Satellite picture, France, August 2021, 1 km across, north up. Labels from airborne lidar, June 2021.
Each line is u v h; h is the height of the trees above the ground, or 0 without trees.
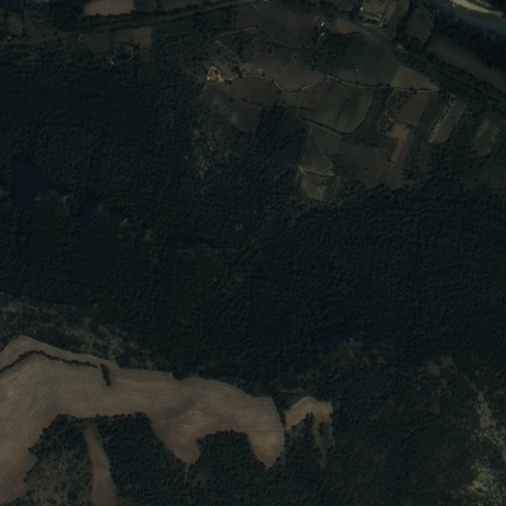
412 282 16
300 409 0
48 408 0
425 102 0
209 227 12
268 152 7
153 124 9
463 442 6
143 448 12
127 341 6
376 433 9
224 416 0
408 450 7
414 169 7
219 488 10
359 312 7
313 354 6
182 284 8
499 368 6
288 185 10
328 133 0
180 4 0
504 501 6
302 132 9
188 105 6
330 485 9
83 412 0
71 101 8
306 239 13
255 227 8
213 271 6
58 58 7
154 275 9
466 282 12
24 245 9
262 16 0
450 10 0
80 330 0
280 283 9
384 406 8
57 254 10
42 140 10
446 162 10
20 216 9
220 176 6
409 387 9
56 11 19
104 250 9
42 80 9
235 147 6
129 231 7
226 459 11
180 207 11
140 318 10
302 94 0
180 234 13
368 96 0
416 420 8
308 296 10
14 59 6
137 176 9
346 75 0
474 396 9
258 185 9
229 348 7
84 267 7
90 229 7
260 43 0
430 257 16
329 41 9
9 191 11
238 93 0
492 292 10
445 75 10
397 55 6
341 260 14
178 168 10
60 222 14
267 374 8
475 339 7
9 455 0
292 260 8
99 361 0
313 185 0
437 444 6
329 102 0
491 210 11
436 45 0
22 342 0
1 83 9
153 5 0
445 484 6
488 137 0
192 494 9
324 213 10
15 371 0
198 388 0
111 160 12
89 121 7
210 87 0
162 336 6
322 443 0
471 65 0
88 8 0
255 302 11
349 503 7
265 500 7
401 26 6
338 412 10
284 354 11
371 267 15
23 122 10
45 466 0
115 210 7
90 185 8
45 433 9
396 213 13
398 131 0
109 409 0
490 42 19
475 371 8
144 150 9
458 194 7
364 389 12
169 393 0
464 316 6
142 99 10
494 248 12
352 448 6
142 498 12
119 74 13
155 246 10
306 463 12
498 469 7
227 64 0
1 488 0
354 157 0
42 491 0
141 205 8
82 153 13
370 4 0
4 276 5
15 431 0
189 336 10
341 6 0
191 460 0
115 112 10
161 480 11
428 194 14
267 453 0
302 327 8
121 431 8
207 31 9
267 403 0
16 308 0
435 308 12
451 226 12
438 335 6
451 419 7
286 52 0
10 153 13
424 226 14
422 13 0
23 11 11
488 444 7
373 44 0
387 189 9
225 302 8
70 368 0
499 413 7
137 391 0
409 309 11
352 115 0
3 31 10
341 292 9
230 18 9
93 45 0
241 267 9
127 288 10
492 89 16
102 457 0
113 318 7
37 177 12
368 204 7
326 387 7
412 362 9
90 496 0
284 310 10
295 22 0
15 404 0
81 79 13
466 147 7
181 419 0
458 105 0
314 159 0
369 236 10
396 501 7
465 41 29
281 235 10
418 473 7
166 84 8
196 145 6
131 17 8
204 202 12
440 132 0
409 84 0
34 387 0
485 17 0
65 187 11
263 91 0
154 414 0
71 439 9
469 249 14
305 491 6
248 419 0
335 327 12
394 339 10
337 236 12
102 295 7
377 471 9
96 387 0
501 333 7
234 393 0
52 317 6
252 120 0
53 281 6
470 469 6
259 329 8
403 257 12
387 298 8
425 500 6
